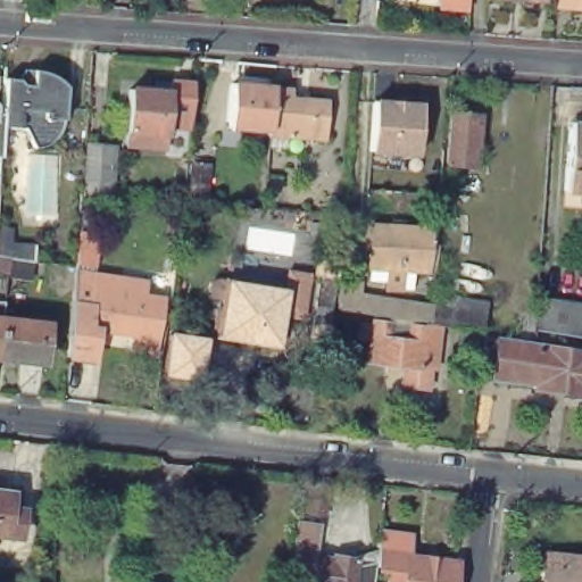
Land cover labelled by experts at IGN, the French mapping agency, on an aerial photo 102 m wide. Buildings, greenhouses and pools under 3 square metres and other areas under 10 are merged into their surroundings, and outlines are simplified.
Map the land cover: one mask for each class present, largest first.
<instances>
[{"label":"herbaceous vegetation","instance_id":"1","mask_svg":"<svg viewBox=\"0 0 582 582\"><path fill-rule=\"evenodd\" d=\"M364 0H246L241 16H257L259 9L305 7L314 14H321L325 20L355 23L361 14ZM9 68L11 80H25L30 84H34V70H50L68 80L73 86V116L64 134L52 146L41 148L39 155L59 157L57 207V221L52 223L57 227V243H50V257L55 264H45L39 259V273L34 280L23 282L20 277L5 275L7 291L0 293V302L9 300V311L14 316L43 321L57 305L55 300H59L50 280L68 268V266H61L66 252L61 248V241L68 239L75 225V209L84 207L89 205L91 193L86 189V161L89 146L93 143L116 146L118 150L116 184L100 191L102 196L116 198L120 202L118 232L125 234L123 243L111 255L100 252V273L146 280L171 271H175V280L184 275L193 289H205L209 282L216 280H234L293 291L298 289V282L289 280V275L284 268L277 266L239 268L241 264L234 250L239 243L246 246L250 227L248 225L236 216H230V211L225 209L211 216V223H202L198 230H184V239L202 252V257L196 264L180 261L173 268V243L164 239V232H171L173 227L155 214V207L150 211H134L127 193L132 189L164 191L191 184L182 168L175 159L166 155L132 150L123 141L105 134V130L100 127V114L95 109L98 55L91 50L84 52L80 48L70 50L66 43L0 48V68ZM550 55L525 50L468 48L466 57L462 59L466 68L475 64L477 70H487L496 64H505L512 68L516 77L527 68H537L541 61H548ZM193 59L182 61L168 57L111 55L107 77L109 98L118 105H130L125 93L132 89H171L173 82L182 84V80H193L198 84V107L193 125L205 130V107L209 86L202 73L191 70ZM380 100H405L427 105L430 127L423 161L409 164V159L405 157H393L391 161L375 159V152L371 150V123L373 102ZM361 148L357 157L359 182V191L368 186L371 182L416 184L427 182L430 173L443 175L448 168V132L439 127V91L432 84L396 82L389 84L384 91L375 93L373 75H364L359 107ZM582 120V89H539L532 84H514L500 109H496L491 118H484L482 155L480 159H466L462 168L468 173L471 186H466L464 196L459 198V223L452 225L448 232L439 230L437 234V255H441L448 261L450 257L462 252V286L468 291L482 293L487 280L507 282L512 293L505 305L496 307L493 298L484 296V300L489 302L487 325H457V330L464 336L462 341L466 348H477L491 361L493 368H498V339L505 336L582 350V339L534 332L539 321L525 311L527 300L532 296V286L543 289L550 298L582 302V275L559 271L557 257L568 223L582 227V209H571L564 202L568 132V125ZM16 134L0 130V232L9 227L14 230L18 243L36 246L39 225H23L20 214L18 209L11 182L16 175ZM241 141V134L239 130H223L225 148L218 150L214 157V186H230L227 207L246 205L248 209H259L257 189L255 186L264 180V168L241 157L236 146ZM311 159L318 166V175L307 189L300 191L289 186V182L296 180V175L300 173V152L286 150L273 148L275 168H282L286 173V186L280 191V196H275V207L291 214H318V205H327L332 200L339 184L341 168L336 166L334 152L327 141H316L311 148ZM371 205L377 209L373 218L377 223L416 225L411 216L414 193H375ZM434 277V273L416 277L414 273H409L405 280L407 291L400 293L380 286L389 280V273H371V284L361 289L368 296L425 302L423 291L427 289V282ZM323 332H327V314H316L314 307H309L305 318L289 321L286 346L289 348L293 341H298L300 334H311V341H318ZM77 364L68 357V348L64 346L55 352L50 368H45L43 373V382L55 384L59 371L68 373L70 366ZM364 389L355 396H348L350 402L346 407L355 409V418L359 427L366 432V437H375L380 432L377 414L373 409L377 407V400L382 396H389V389L382 368L368 361L361 368ZM18 373H20V368H18V366H7V368H5L2 364H0V382H2V384H18ZM464 391L448 386L446 391H416L411 402L430 411L434 421V439L439 434L459 437ZM293 405L307 411L316 396L311 391H293ZM493 409V400L482 393L477 409V432H487ZM582 443V405L577 409H564L559 448H580ZM530 437L512 418L505 437L507 441L525 443V439ZM132 484H143L152 489V493L161 500H166L173 493L211 496L214 491H223L230 496L234 507L250 500V509L255 514L264 512V521L255 537H227L225 548L239 562L227 582H261L266 580V564L273 559L275 548L280 543H296L302 521L298 507L302 505V498L298 496V487L291 482H271L266 487L255 477L209 473L189 471L186 475H177L175 480H166V473L157 468L116 471L93 464L73 477V487L86 491L91 498L109 493L123 500ZM402 496H414L418 500V512L408 525L398 523ZM457 496L452 491H425L414 484H384L380 493H368V543L377 548L386 539V532L396 530L414 534L418 555L457 559L459 550H450L448 546H443V541L450 534V512ZM530 539L521 546L518 552L537 550L539 559H546L548 552L582 555V507L568 505L559 523L548 525L541 523V518L532 516V525L525 530ZM118 550V537L111 532L105 548V557H91L75 546L61 543L59 555L50 557V568L41 575V582H109L111 562Z\"/></svg>","mask_w":582,"mask_h":582},{"label":"deciduous trees","instance_id":"2","mask_svg":"<svg viewBox=\"0 0 582 582\"><path fill-rule=\"evenodd\" d=\"M77 7H102V11H111V5L107 0H23L25 14H30L32 18H43V23H52L61 14H68ZM189 7L186 0H132L134 16L139 18L164 16L168 11L182 14ZM205 5L200 7V14L207 18L239 20L241 16L246 0H202ZM439 0H380L377 23L386 34L393 32L402 36L427 34L457 39L468 36L475 25L464 14L437 9L434 5ZM514 84H505L496 77H450L448 89L439 91V127L448 132L450 116L455 114L471 111L484 118H491L496 109H500ZM130 123V105H118L109 98L105 100V111L100 114V127L105 130V134L123 141ZM241 157L264 168V155L271 150V139L266 134H241V141L236 146ZM286 150L300 152V173L296 175V180L289 182V186L300 191L307 189L318 175V166L311 159V148H302L300 141H291ZM286 186V173L282 168H275L268 171L266 189H257L259 209L268 211L275 207V196H280V191ZM466 186H471L468 173L462 168H448L443 175L430 173L427 182L416 184L414 193L411 216L416 225L427 227L437 234L439 230L448 232L452 225L459 223V198L464 196ZM375 193L368 186L359 191V182L350 186L339 184L332 200L327 205H318V214H307V218L316 223L318 230L311 246V266L318 268L321 264H325L334 273L332 280L341 293H350L352 286L371 277V246L366 232L371 225L377 223L373 218L377 209L371 205ZM230 186H214L207 191H191V184L164 191L132 189L127 193L134 211H150L155 207V214L173 227L171 232H164V239L173 243V268L180 261L196 264L202 257V252L184 239V230H198L202 223H211V216L225 209L230 211V216H236L248 225V218L255 209H248L246 205L227 207ZM84 207L89 209L86 232L89 239L98 243L100 252L111 255L123 243L125 234L118 232L120 202L116 198L102 196L100 191L91 193L89 205ZM50 243H57V227L52 223L39 225L36 246L39 259L45 264H55L50 257ZM559 271L582 275V227L568 223L557 257ZM462 252L450 257L448 261L441 255H437L434 273V277L427 282V289L423 291L425 302L434 305V309L446 307L455 298H464L468 291L462 286ZM175 293L168 300L166 327L175 334L211 339L209 361L202 368H198V373L191 380H171L168 361L159 355L152 357L141 343H134L132 348H107L102 352L100 371L98 396L105 398V405L109 407L173 414L177 418L193 421H205L209 414H214L221 423L257 425L271 432L309 430L323 434L336 432L350 437H366V432L359 427L355 418V409L346 407L350 402L348 396H355L364 389L361 368L368 361V343L346 346L343 339L327 332H323L318 341H311V334H300L298 341H293L289 348L286 346L277 352L275 357H271L266 355V350H261L250 366H236V357L246 346L223 341L218 330L214 321V300L205 289H193L184 275L175 280ZM293 391H311L316 396L307 411L293 405ZM482 293L484 296L493 298L496 307L505 305L512 293L507 282L487 280ZM550 298L543 289L532 286V296L527 300L525 311L539 321L548 311ZM448 386L464 391L473 389L482 393V386L489 382L493 377V368L491 361L477 348H466L462 341L452 346V355L446 361ZM416 391L402 382H396L389 389V396H382L377 400V407L373 409L377 414L380 432L391 441L405 443L402 450L409 452H418L421 446H439L434 439V421L430 411L411 402ZM555 400L548 396L530 398L521 400L514 407L512 418L530 437H534L539 446H546ZM93 450L73 446H45V455L41 459V489H36L41 500L36 507L39 523L34 525L36 539L27 559L18 562L11 552L0 550V582H41V575L50 568V557L59 555L61 543L75 546L91 557H105V548L111 532L118 537V550L111 562L109 582H227L239 562L225 548L227 537H255L264 521V512L255 514L250 509V500L234 507L230 496L223 491H214L211 496L173 493L166 500H161L152 493V489L143 484H132L123 500L109 493L91 498L86 491L73 487V477L93 464ZM334 484L339 489L334 491L332 509H346L357 502H368V493H380L384 484H375L366 491V477L361 473L341 471L332 480ZM418 512V500L414 496H402L398 523L408 525ZM487 518L475 514L473 500L457 496L450 512V534L443 541V546H448L450 550H459L475 530L482 527ZM568 505H537L523 500V496L509 502L507 523L500 527L498 543L505 550H509L516 559V573L521 575V582H541L546 559H539L537 550L518 552L521 546L530 539L525 530L532 525V516L541 518V523L548 525L559 523ZM307 543H280L275 548L273 559L266 564V580L261 582H318L300 562V550Z\"/></svg>","mask_w":582,"mask_h":582},{"label":"building","instance_id":"3","mask_svg":"<svg viewBox=\"0 0 582 582\"><path fill-rule=\"evenodd\" d=\"M473 0H439L434 5L437 9L464 14L471 11ZM505 2H512L514 7H525L546 5L548 0H505ZM559 9L582 11V0H559ZM73 86L68 80L50 70H34V84H30L25 80H11L9 68H0V130L16 134L20 127H27L32 132V136L27 139V150L32 155H39L41 148L52 146L64 134L73 116ZM130 105V123L123 141L132 150L166 155L171 148V139H180V130L191 132L193 125L198 107V84L193 80H182V84L173 82L171 89H132L125 93ZM332 116L330 100L298 98L296 91L289 86H275L264 82L239 84H230L227 89L230 130H239L241 134H266L271 139V150L264 155V180L255 186L257 189H266L268 171L275 168L273 148L286 150L291 141H300L302 148H311L316 141H327ZM430 127L427 105L405 100H380L373 102L371 123V150L375 152V159L391 161L393 157H405L409 159V164L423 161ZM484 118L471 111L455 114L450 116L448 132V168H462L466 159H480L482 155ZM577 130V171L573 189L577 196H582V120L568 125V132ZM118 150L116 146L93 143L89 146L86 161V189L91 193L100 191L116 184ZM191 184V191H207L214 186V157L196 155L182 168ZM368 186L375 193H414L416 184L371 182ZM371 246V273H389V280L380 286L400 293L407 291L405 280L409 273H414L416 277L434 273L437 255V234L427 227L416 225L377 223L371 225L366 232ZM39 259L36 246L18 243L14 230L9 227L0 232V293L7 291L5 275L20 277L23 282L34 280L39 273ZM68 273L73 275L70 305L66 300H55L57 305L43 321L14 316L9 311V300L0 302V364H2L5 368H7V366H18V368H20L39 366L43 373L45 368H50L55 352L64 346L68 348V357L77 364H82V371L86 366H95L100 371L102 352L107 348H132L134 343H141L152 357L159 355L168 361L171 380H191L198 373V368H202L209 361L211 339L175 334L166 327L168 300L152 296L148 291L146 280L100 273V252L98 243L89 239L86 232L80 234L77 261L68 266ZM289 280L298 282V289L293 291L234 280L230 284L225 321L218 330L223 341L246 346H259L277 352L286 346L289 321L305 318L309 307H314L316 314H327V332L343 339L346 346L368 343V361L382 368L389 389L396 382H402L416 391H432L434 371L430 364L441 361L443 327L457 325H487L489 302L484 300V296L482 293L468 291L464 298H455L446 307L434 309V305L425 302L368 296L361 289L371 284V277L352 286L350 293H341L332 280L318 277L316 271H296L289 275ZM534 332L582 339V302L550 298L548 311L539 321ZM489 382L498 389H525L530 398L548 396L555 400L559 393H566L582 402V350L505 336L498 339V368H493V377ZM291 482L298 487V496L302 498V505L298 507L302 521L296 543H307L300 550V562L318 582H464V562L457 559L418 555L414 534L396 530L386 532V539L377 548L375 552H368L364 557L332 555V543H327V521L332 509L334 491L339 489L334 484L311 482L309 475L300 473L291 475ZM39 523L36 507H20V491L16 489H0V543L23 541L27 537V527L34 525ZM541 582H582V555L548 552L546 559Z\"/></svg>","mask_w":582,"mask_h":582},{"label":"impervious surface","instance_id":"4","mask_svg":"<svg viewBox=\"0 0 582 582\"><path fill-rule=\"evenodd\" d=\"M111 5V11H102V7H77L68 14H61L52 23H43V18H32L30 14H25L23 0H0V48L66 43L70 50L80 48L84 52L91 50L98 55H111L168 57L182 61L193 59H202V64L218 66V77L209 86L205 107V132L216 134L223 130H230L227 89L230 84H239V75L246 73V68L289 70L291 77H298L305 86H314L318 77L325 73H332L336 77L350 75H373L375 93L384 91L389 84L396 82L432 84L439 91L448 89L450 77H496L505 84H532L539 89H582V43L566 41H543L527 39L518 30H509L500 36L496 30L489 32L487 27L475 25L468 36L457 39L427 34L402 36L393 32L386 34L377 23L380 0H364L361 14L355 23L325 20H296V25H261V18L257 16H241L239 20L207 18L200 14V7L205 5L202 0H186L189 7L182 14L168 11L164 16L139 18L134 16L132 0H107ZM468 48L525 50L550 55L548 61H541L537 68H527L516 77L512 68L505 64H496L487 70H477L475 64L466 68L462 59L466 57ZM32 136V132L27 127H20L16 134V175L11 182L18 209L25 202L23 198L27 196L32 155L27 150V139ZM577 171V130L568 132L564 202L571 209H582V196H577L573 189ZM23 225H39L52 223L57 221V207L52 211L25 209L20 214ZM59 300H66L70 305L73 275L68 273V268L50 280ZM148 291L152 296L168 300L175 293V271H171L146 280ZM234 280H216L209 282L205 289L214 300V321L218 330L225 321L230 284ZM261 350H266V355L271 357H275L277 352L259 346H246L236 357V366H250ZM100 371L95 366H86L82 371V364H77L70 366L68 373L66 386L70 389V398L66 400H39L36 391L43 382V373L39 366L20 368V373H18V384H2V382H0V489H16L20 491V507H36L41 500L36 489H41V459L45 455V446H73L93 450L155 457L157 468L166 473V480H175L177 475H186L189 471L209 473L207 464L214 462L223 466H257L268 473L275 471L291 475L300 473L309 475L311 482L334 484L332 480L341 471L361 473L366 477V491L375 484H414L425 491H452L457 496L473 500L475 514L487 518L482 527L475 530L459 550L457 559L464 562V582H521V575L516 573V559L509 550H505L498 543L500 527L507 523L509 502L523 496V500L537 505H568L582 507V462L546 457V466H514L505 462L502 455L491 452V448L505 446L507 441L505 437L512 418L514 407L521 400L530 398L525 389H498L489 382L482 386V393L493 400V409L487 432H477L480 441L473 450L464 448L455 452L452 446H421L418 452H409L402 450L405 443L391 441L380 432L375 437H350L336 432L323 434L309 430L271 432L257 425L221 423L214 414H209L205 421H193L177 418L173 414L109 407L105 405V398L98 396ZM582 405V402L566 393H559L555 400L546 446L550 450L559 448L564 409H577ZM368 502H357L346 509H332L327 521V543H332V555L364 557L368 552H375L377 548L368 543ZM36 539L34 525L27 527V537L23 541L0 543V550L11 552L18 562L27 559Z\"/></svg>","mask_w":582,"mask_h":582},{"label":"pervious surface","instance_id":"5","mask_svg":"<svg viewBox=\"0 0 582 582\"><path fill-rule=\"evenodd\" d=\"M505 2V0H473L471 11L464 14L475 25L487 27V20H493V9H500V5ZM525 14V7H514L509 20L496 25V30L500 36L509 30H518L527 39L543 41L548 18L539 14L534 27L523 25L521 18ZM557 32H564L566 41L582 43V11L559 9ZM111 55H98L95 109L100 114L105 111V100L109 98L107 77ZM264 82L275 86H289L296 91L298 98L330 100L332 116L327 141L334 152L343 148L350 75L336 77L332 73H325L318 77L314 86H305L298 77H291L289 70L246 68V73L239 75V84ZM191 132L180 130V139H171V148L166 155L175 159L189 152ZM225 148L223 130L216 134L205 132L202 146H196V155L214 157L218 150ZM250 227L291 232L296 234V246L291 257L255 252L246 246L239 243L234 250L241 264L239 268L277 266L284 268L289 275L296 271H316L318 277L332 280L334 273L325 264H321L318 268L311 266V246L318 230L316 223L307 218V214H291L275 207L268 211L259 209H255L248 218V225ZM464 336L457 330V325L443 327L441 361L430 364L434 371L432 391H446L448 386L446 361L452 355V346L462 341ZM505 462L514 466H546V457L509 452L502 455Z\"/></svg>","mask_w":582,"mask_h":582},{"label":"brushwood","instance_id":"6","mask_svg":"<svg viewBox=\"0 0 582 582\"><path fill-rule=\"evenodd\" d=\"M559 9V0H548L546 5L525 7V14L521 18L523 25L534 27L539 14L548 18L543 41H566L564 32H557ZM514 7L512 2H505L500 5V9H493V20H487V27L489 32L496 30V25L509 20ZM257 16L261 18V25H296V20H325L321 14H314L305 7L259 9ZM191 70L202 73L209 86L218 77V66L202 64V59H193ZM364 75H350L343 148L334 152L336 166L341 168L339 184L350 186L359 182L357 157L361 148L359 107ZM205 132V130L193 125L191 132L189 152L175 159L182 168L196 155V146H202ZM89 209L84 207L75 209V225L68 239L61 241V248L66 252L61 266H68L77 261L80 234L86 232ZM68 373L59 371L55 384L43 382L36 391L39 400H66L70 398V389L66 386ZM482 393L473 389L464 391L459 437L439 434L434 439L439 446H452L455 452L464 448L473 450L480 441L477 432V409ZM491 452L502 455L509 452L546 457L582 462V443L580 448H559L550 450L546 446H539L534 437H530L525 439V443L507 441L505 446L491 448ZM93 464L116 471L157 468L155 457L93 450ZM209 473L255 477L266 487L271 482H291V475L275 471L268 473L257 466H223L214 462L207 464Z\"/></svg>","mask_w":582,"mask_h":582},{"label":"swimming pool","instance_id":"7","mask_svg":"<svg viewBox=\"0 0 582 582\"><path fill-rule=\"evenodd\" d=\"M59 157L39 155H32L27 196L23 198L25 202L18 209L20 214L25 209L52 211L57 207ZM296 246V234L291 232L250 227L246 246L255 252L291 257Z\"/></svg>","mask_w":582,"mask_h":582}]
</instances>
